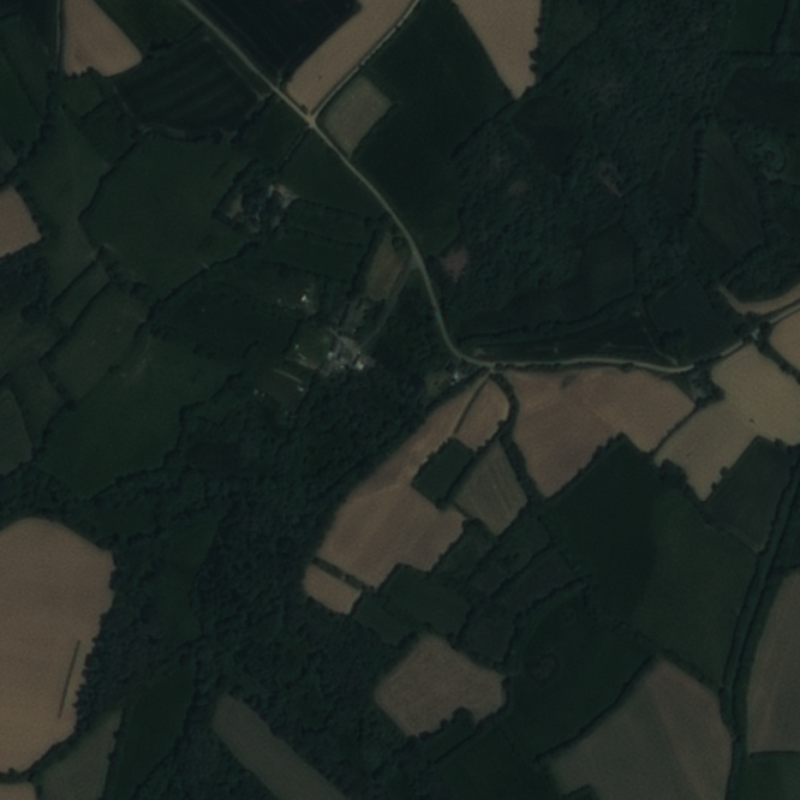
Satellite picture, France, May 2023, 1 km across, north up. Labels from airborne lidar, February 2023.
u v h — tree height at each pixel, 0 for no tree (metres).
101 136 0
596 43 10
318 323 11
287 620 24
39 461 16
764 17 0
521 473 13
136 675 26
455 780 0
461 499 0
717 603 0
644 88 10
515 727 0
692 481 0
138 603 12
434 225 0
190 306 0
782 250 12
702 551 0
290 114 0
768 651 0
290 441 9
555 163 0
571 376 0
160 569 17
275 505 10
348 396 14
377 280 0
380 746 10
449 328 7
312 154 0
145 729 0
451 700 0
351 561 0
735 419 0
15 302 13
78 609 0
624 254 0
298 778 0
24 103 0
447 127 0
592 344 0
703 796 0
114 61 0
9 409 0
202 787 19
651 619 0
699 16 9
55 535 0
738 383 0
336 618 15
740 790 7
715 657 0
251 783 18
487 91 0
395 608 8
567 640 0
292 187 0
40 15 0
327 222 0
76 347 0
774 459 0
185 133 0
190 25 0
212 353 10
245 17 0
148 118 0
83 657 0
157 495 18
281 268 12
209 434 18
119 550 16
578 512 0
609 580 0
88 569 0
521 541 0
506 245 16
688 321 0
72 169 0
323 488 6
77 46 0
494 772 0
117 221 0
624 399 0
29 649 0
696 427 0
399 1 0
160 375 0
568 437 0
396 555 0
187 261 0
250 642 14
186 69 0
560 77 9
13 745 0
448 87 0
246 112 0
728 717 8
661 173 6
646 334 0
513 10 0
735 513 0
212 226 0
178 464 15
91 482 0
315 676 10
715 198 0
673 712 0
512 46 0
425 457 0
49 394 0
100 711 24
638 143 11
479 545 0
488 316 0
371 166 0
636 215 17
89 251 0
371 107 0
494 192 9
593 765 0
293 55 0
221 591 31
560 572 0
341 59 0
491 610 12
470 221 11
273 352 7
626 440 8
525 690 0
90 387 0
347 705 20
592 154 9
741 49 0
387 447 9
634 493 0
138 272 0
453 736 0
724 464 0
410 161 0
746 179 0
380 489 0
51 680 0
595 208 12
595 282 0
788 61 17
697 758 0
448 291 10
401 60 0
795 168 0
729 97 0
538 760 10
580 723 0
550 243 8
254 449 9
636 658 0
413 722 0
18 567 0
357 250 7
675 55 7
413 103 0
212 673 13
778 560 11
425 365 10
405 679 0
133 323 0
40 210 6
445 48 0
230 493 11
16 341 0
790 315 0
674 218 16
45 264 18
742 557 0
